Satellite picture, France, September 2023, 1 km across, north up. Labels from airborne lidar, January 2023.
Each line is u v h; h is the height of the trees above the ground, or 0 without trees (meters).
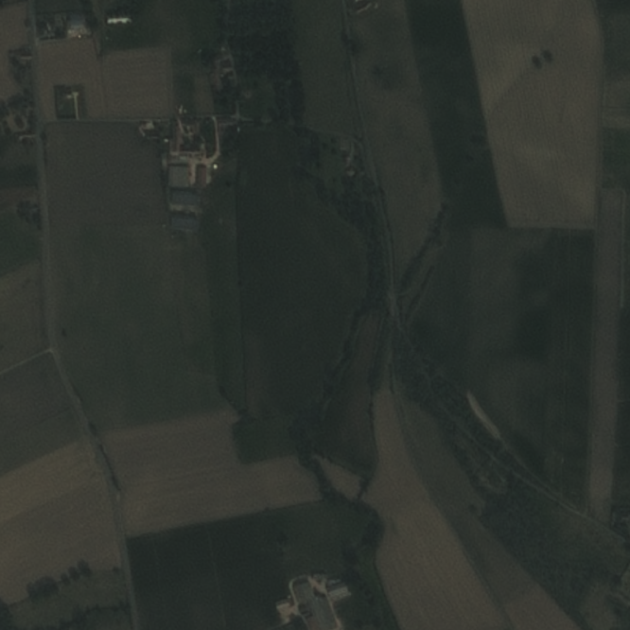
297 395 0
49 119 0
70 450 0
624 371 0
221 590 0
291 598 0
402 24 0
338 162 0
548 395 0
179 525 0
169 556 0
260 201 0
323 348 0
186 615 0
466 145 0
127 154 0
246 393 0
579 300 0
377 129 0
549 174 0
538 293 0
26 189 0
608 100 0
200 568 0
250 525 0
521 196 0
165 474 0
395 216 0
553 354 0
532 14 0
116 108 0
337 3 0
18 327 0
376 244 18
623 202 0
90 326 0
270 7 7
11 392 0
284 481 0
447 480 0
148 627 0
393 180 0
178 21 0
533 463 0
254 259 0
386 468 0
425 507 0
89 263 0
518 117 0
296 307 0
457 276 0
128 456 0
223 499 0
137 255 0
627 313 0
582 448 0
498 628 0
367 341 0
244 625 0
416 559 0
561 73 0
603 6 0
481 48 0
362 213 24
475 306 0
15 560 0
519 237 0
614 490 0
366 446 0
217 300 0
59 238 0
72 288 0
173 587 0
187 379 0
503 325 0
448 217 0
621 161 0
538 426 0
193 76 0
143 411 0
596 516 0
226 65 0
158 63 0
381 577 0
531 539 14
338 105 0
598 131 0
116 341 0
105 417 0
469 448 0
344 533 0
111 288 0
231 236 0
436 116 0
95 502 0
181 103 0
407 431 0
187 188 0
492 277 0
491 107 0
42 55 0
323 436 0
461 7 0
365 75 0
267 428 0
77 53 0
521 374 0
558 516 0
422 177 0
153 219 0
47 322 0
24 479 0
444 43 0
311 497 0
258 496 0
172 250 0
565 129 0
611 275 0
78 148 0
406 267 0
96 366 0
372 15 0
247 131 0
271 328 0
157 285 0
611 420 0
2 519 0
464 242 0
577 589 16
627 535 10
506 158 0
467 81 0
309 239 0
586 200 0
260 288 0
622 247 0
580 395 0
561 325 0
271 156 0
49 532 0
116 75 0
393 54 0
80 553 0
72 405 0
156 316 0
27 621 0
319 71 0
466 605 0
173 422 0
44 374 0
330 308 0
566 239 0
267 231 0
